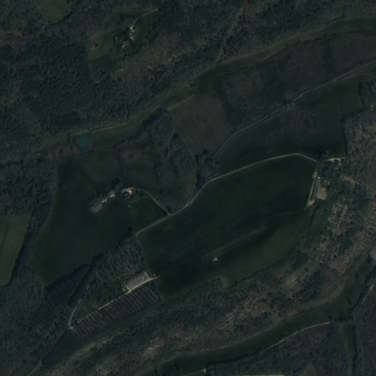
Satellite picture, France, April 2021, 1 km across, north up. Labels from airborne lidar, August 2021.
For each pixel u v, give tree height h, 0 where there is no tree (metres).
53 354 19
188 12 20
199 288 9
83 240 0
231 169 0
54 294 22
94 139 0
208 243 0
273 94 0
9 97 8
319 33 0
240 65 0
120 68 15
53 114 7
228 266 0
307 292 13
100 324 13
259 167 0
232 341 14
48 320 20
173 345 15
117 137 0
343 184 18
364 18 0
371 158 10
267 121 0
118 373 6
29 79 20
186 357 0
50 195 17
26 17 16
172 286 0
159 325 6
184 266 0
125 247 19
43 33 20
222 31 10
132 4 22
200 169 18
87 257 0
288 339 14
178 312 8
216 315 12
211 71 0
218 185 0
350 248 12
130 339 9
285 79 0
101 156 0
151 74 12
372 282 16
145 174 0
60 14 0
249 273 0
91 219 0
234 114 0
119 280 0
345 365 15
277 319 0
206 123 0
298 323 0
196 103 0
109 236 0
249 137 0
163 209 0
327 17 20
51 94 8
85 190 0
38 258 0
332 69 0
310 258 7
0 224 0
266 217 0
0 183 16
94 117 9
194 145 0
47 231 0
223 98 0
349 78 0
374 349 8
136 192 9
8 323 14
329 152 0
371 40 0
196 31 21
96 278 13
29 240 22
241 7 23
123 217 0
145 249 0
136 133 0
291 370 9
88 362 6
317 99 0
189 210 0
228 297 7
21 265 25
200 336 10
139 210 0
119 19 0
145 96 14
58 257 0
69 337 15
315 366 14
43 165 21
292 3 23
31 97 14
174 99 0
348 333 0
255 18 14
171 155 10
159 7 17
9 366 15
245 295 7
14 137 14
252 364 14
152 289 8
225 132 0
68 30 14
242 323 7
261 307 5
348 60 0
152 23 9
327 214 14
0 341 9
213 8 22
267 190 0
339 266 12
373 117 16
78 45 15
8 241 0
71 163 0
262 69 0
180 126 0
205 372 0
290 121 0
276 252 0
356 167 10
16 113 14
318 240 15
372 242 12
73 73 10
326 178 14
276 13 20
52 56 19
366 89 16
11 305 19
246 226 0
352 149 17
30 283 24
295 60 0
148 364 21
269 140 0
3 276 0
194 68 20
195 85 6
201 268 0
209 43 14
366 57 0
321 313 0
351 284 0
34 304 23
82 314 0
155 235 0
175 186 0
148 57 22
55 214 0
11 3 14
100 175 0
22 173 16
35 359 18
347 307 0
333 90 0
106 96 14
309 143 0
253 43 17
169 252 0
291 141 0
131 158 0
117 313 13
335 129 0
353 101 0
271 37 24
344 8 17
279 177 0
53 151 0
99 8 22
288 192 0
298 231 0
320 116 0
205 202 0
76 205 0
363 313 10
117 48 8
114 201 0
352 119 21
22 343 15
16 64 23
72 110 7
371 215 10
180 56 7
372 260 35
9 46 18
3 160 26
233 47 18
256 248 0
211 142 0
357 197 20
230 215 0
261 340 0
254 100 0
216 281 12
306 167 0
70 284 21
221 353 0
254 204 0
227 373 24
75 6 11
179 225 0
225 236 0
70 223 0
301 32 17
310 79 0
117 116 18
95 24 20
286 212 0
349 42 0
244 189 0
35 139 7
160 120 25
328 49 0
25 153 21
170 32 22
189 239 0
